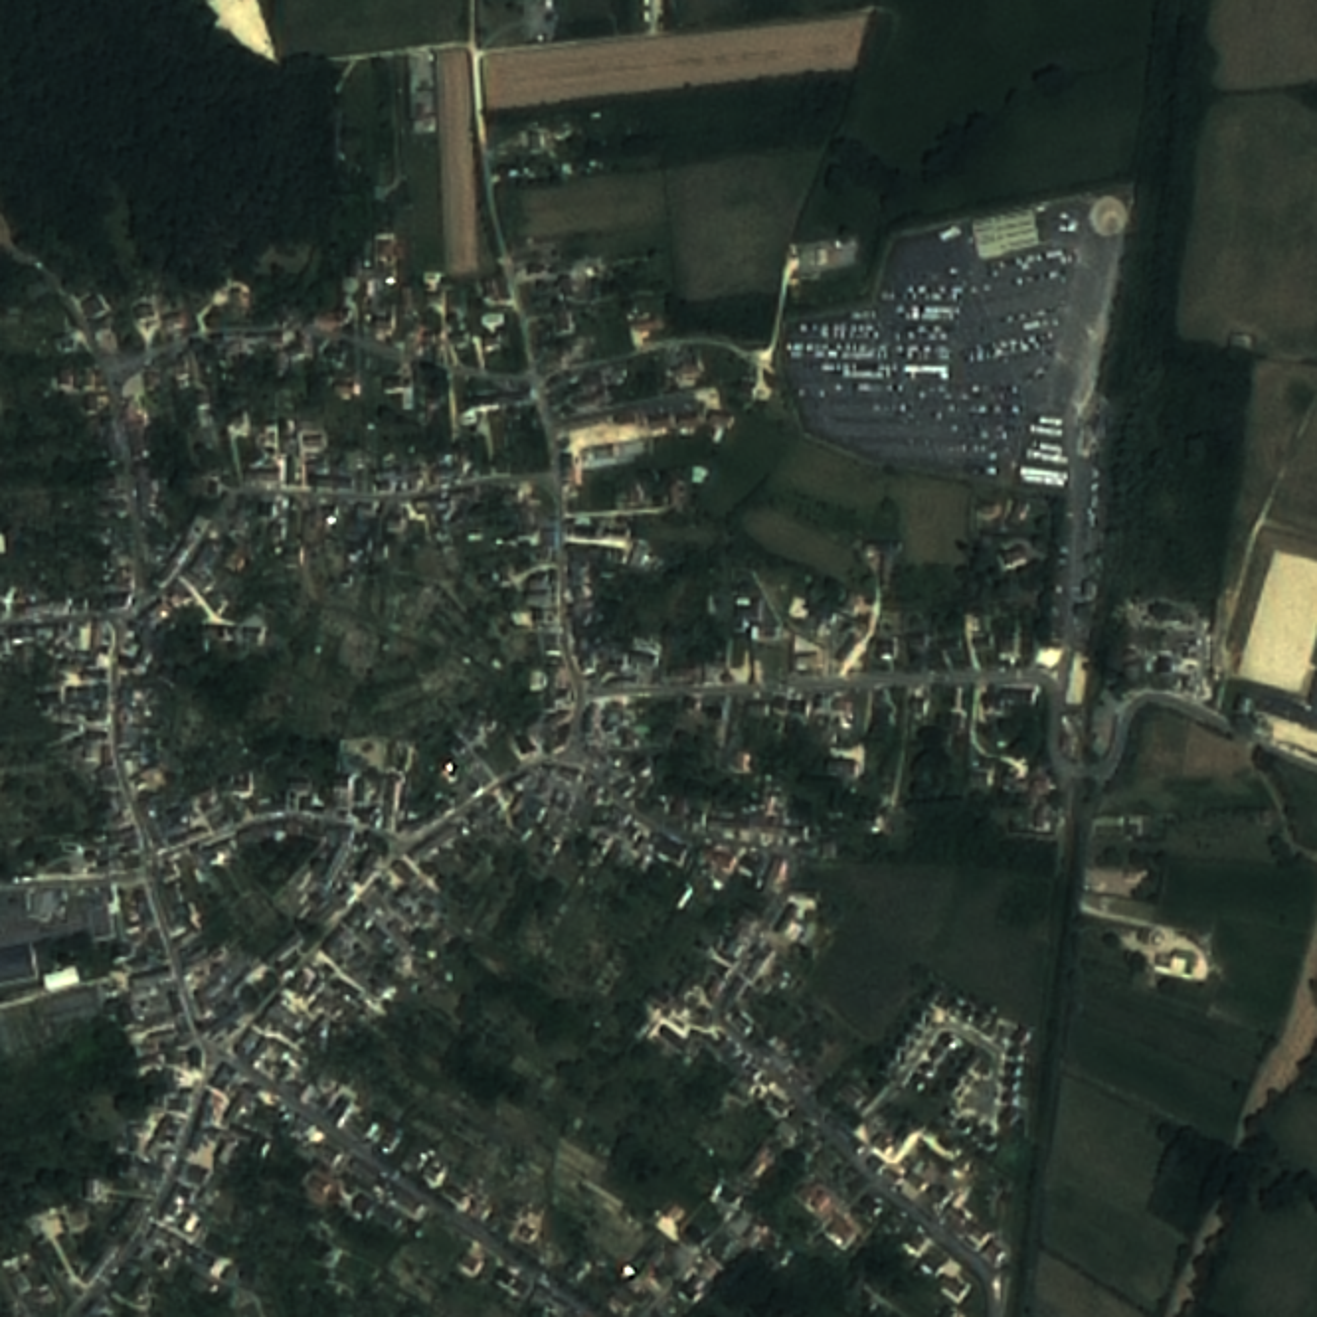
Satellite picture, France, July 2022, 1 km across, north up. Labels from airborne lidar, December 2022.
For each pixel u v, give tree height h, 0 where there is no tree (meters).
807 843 8
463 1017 6
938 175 13
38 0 21
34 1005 0
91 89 22
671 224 0
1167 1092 0
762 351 0
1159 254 7
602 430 0
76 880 0
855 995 0
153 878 0
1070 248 0
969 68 0
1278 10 0
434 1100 0
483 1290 0
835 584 13
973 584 11
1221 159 0
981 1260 0
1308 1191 15
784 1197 6
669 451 0
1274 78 0
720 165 0
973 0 0
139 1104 17
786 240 0
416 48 0
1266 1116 12
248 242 21
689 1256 0
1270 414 0
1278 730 0
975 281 0
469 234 0
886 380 0
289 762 7
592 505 0
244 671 7
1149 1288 0
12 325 0
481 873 0
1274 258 0
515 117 6
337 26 0
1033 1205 5
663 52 0
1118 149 0
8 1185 9
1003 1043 0
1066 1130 0
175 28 19
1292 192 0
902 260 0
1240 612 0
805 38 0
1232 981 0
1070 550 0
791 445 0
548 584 0
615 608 10
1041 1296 0
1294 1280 0
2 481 8
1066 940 5
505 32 0
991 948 0
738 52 0
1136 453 15
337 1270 0
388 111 9
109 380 0
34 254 19
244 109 23
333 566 0
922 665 14
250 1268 7
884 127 0
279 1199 7
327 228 14
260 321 7
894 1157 0
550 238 0
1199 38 10
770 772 8
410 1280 0
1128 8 0
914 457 0
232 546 8
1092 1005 0
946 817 7
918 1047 0
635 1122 9
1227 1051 0
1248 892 0
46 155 23
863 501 0
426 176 0
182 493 15
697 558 10
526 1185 0
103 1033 10
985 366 0
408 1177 8
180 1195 0
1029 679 0
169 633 11
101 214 20
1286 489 0
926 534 0
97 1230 6
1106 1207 0
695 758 6
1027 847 7
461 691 0
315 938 10
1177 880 0
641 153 12
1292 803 5
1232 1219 18
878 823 0
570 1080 6
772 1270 7
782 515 0
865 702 0
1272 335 0
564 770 0
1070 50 0
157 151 19
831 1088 7
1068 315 0
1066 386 0
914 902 0
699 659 10
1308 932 0
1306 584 0
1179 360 8
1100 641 7
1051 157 0
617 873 7
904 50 0
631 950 6
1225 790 0
